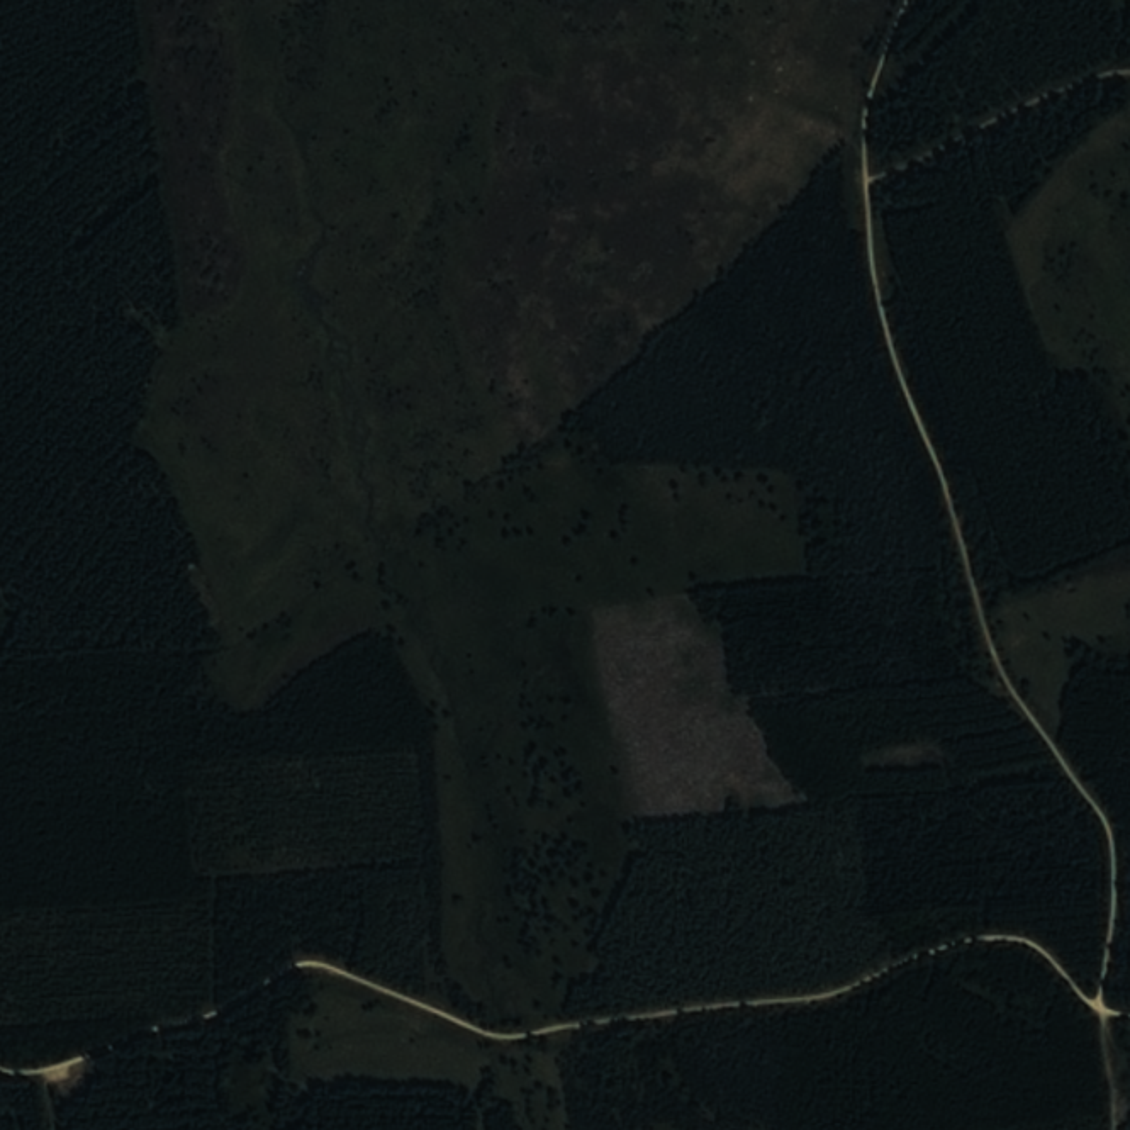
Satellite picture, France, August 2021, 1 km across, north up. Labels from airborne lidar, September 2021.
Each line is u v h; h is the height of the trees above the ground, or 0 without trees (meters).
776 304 7
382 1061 0
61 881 8
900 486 9
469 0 0
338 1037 0
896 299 8
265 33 0
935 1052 10
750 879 14
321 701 8
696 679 0
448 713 9
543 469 7
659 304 0
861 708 11
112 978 6
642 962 12
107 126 15
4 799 10
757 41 0
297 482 0
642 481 0
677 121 0
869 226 0
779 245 9
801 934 14
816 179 9
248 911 9
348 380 0
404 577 0
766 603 11
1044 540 18
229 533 0
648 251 0
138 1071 18
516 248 0
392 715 8
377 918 15
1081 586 0
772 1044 7
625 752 0
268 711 7
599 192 0
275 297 0
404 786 6
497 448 0
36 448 19
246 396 0
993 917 17
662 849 11
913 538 8
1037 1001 11
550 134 0
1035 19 18
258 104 0
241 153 0
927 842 8
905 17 6
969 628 12
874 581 10
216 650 7
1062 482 18
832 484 11
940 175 21
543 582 0
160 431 0
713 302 7
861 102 0
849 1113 10
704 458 7
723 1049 6
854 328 9
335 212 0
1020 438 19
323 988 6
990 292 19
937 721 15
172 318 21
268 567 0
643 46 0
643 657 0
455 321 0
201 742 11
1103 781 10
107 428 19
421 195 0
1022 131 16
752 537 0
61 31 16
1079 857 13
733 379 9
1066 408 18
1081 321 0
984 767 18
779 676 11
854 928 14
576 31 0
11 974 7
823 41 0
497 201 0
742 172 0
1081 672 12
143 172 18
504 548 0
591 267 0
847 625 10
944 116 17
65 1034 8
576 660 0
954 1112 10
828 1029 8
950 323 15
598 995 16
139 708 9
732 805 10
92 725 8
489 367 0
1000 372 17
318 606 0
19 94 15
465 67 0
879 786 12
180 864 10
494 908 0
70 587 17
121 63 20
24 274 20
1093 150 0
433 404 0
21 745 10
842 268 8
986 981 12
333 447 0
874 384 8
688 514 0
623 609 0
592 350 0
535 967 0
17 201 16
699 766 0
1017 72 17
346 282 0
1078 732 10
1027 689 8
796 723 9
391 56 0
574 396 0
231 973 9
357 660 7
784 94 0
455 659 0
